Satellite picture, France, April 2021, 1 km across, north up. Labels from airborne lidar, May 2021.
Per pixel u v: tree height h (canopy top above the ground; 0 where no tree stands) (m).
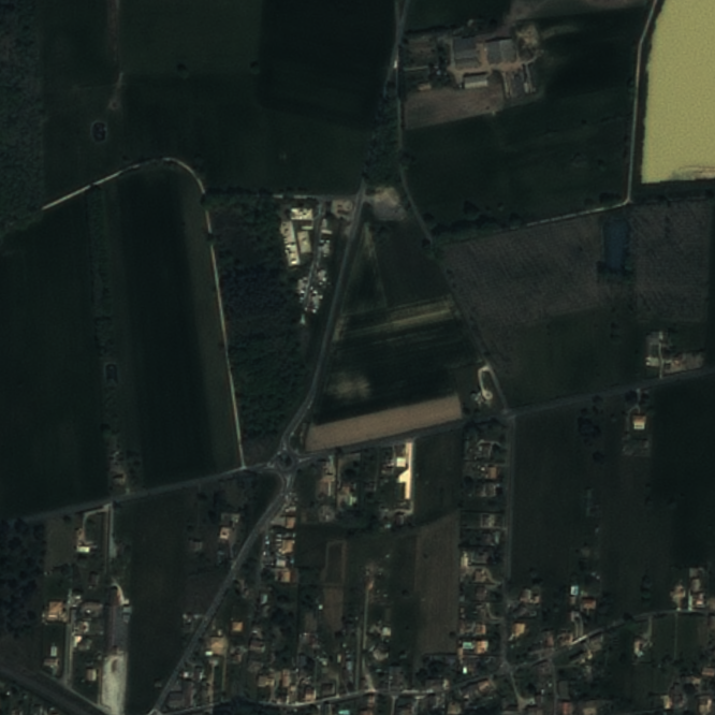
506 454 12
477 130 0
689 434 0
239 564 0
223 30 0
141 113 0
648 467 0
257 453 16
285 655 7
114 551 0
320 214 0
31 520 0
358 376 0
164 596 0
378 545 0
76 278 0
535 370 0
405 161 18
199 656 6
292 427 0
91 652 0
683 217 27
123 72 0
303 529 0
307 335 0
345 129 0
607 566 0
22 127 16
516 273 26
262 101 0
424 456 0
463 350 0
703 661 8
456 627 0
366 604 0
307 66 0
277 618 10
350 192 0
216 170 0
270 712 7
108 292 8
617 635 10
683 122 0
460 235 16
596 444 7
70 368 0
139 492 0
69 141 0
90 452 0
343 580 0
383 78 0
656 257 26
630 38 0
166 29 0
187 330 0
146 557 0
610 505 0
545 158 0
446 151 0
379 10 0
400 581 0
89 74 0
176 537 0
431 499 0
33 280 0
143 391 0
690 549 0
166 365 0
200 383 0
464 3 0
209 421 0
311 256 0
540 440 0
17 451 0
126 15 0
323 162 0
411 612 0
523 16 0
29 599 15
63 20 0
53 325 0
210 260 0
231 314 13
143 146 0
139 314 0
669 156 0
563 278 22
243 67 0
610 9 0
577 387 0
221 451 0
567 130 0
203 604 0
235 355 15
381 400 0
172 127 0
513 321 23
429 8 0
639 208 20
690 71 0
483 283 27
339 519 13
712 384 0
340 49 0
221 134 0
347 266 0
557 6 0
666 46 0
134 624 0
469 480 9
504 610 0
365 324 0
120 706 0
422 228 0
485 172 0
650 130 0
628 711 11
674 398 0
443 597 0
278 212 11
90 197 12
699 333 0
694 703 0
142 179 0
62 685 0
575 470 0
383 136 14
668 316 21
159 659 0
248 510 10
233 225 0
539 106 0
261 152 0
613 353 0
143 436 0
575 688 8
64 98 0
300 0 0
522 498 0
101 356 7
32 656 0
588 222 22
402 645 0
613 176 0
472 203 0
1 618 13
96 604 0
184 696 0
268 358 13
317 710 8
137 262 0
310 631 0
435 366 0
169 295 0
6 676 0
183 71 12
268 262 9
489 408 0
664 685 0
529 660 10
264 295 18
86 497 0
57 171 0
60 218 0
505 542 13
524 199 0
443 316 0
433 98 0
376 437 0
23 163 12
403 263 0
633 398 13
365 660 8
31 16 8
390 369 0
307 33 0
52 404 0
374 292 0
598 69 0
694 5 0
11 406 0
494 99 0
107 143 0
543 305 25
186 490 0
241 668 0
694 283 27
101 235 12
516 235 28
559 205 0
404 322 0
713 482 0
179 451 0
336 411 0
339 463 0
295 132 0
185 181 0
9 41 13
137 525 0
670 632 0
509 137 0
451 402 0
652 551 0
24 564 0
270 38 0
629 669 0
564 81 0
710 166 0
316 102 0
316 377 0
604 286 22
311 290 0
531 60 0
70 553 0
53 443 0
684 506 0
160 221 0
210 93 0
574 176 0
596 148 0
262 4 0
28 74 15
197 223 0
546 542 0
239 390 10
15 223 17
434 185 0
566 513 0
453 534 0
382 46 0
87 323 0
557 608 9
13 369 0
